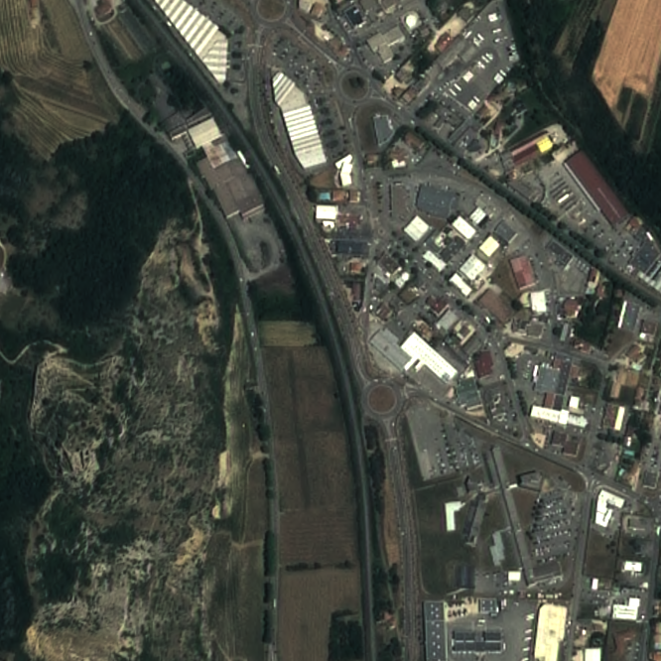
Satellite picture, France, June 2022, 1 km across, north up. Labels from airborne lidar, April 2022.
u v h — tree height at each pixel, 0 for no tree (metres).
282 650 0
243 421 0
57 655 0
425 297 0
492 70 0
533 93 0
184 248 0
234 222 0
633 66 0
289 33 0
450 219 10
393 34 0
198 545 0
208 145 0
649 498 0
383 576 9
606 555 0
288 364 0
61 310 8
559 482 0
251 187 0
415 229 0
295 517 0
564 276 0
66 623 6
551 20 9
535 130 0
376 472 12
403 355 0
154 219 7
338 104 0
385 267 0
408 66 0
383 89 0
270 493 13
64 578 11
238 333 0
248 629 0
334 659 12
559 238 15
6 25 0
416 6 0
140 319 8
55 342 5
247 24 0
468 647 0
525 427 0
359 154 0
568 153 0
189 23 0
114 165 8
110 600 0
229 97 0
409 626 0
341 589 0
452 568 0
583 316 11
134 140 13
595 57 9
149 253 8
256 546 0
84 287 9
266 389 0
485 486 0
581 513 0
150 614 0
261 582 0
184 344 0
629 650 0
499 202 0
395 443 0
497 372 0
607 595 0
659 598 7
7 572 12
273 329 0
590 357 0
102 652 0
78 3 0
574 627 0
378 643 0
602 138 7
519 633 0
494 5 0
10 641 11
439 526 0
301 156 0
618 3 0
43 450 0
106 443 9
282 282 0
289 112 0
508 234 0
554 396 0
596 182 0
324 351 0
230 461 0
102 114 0
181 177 14
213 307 0
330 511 0
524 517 0
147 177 10
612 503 0
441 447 0
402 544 0
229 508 0
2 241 9
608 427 0
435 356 0
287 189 0
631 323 0
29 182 15
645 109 0
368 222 0
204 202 7
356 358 0
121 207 9
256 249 0
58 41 0
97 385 7
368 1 0
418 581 0
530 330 0
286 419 0
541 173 0
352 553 0
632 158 9
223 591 0
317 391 0
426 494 0
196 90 10
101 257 13
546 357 0
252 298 9
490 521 0
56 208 7
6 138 12
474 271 0
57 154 11
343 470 0
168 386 6
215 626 0
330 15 0
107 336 7
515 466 0
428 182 0
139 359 7
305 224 0
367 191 0
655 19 0
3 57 0
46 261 17
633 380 0
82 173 12
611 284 6
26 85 0
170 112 0
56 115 0
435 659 0
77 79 0
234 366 0
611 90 0
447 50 0
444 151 13
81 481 6
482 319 0
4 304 0
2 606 10
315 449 0
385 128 0
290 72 0
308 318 14
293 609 0
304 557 0
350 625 8
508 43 0
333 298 0
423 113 16
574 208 0
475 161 0
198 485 0
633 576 0
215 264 10
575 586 0
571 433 0
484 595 0
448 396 0
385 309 0
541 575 0
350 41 0
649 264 0
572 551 0
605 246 0
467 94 0
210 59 0
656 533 0
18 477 11
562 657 0
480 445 0
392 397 0
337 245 0
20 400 7
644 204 12
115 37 0
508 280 0
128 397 9
